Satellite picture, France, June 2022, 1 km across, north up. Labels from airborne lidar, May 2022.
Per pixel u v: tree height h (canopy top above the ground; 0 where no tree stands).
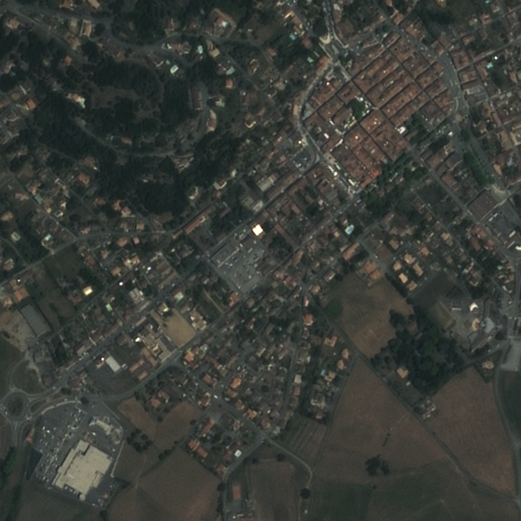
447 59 0
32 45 15
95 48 15
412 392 0
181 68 13
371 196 13
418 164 9
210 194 9
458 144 0
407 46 0
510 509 0
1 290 0
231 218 22
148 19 10
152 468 0
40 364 0
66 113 12
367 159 0
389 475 19
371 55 0
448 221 0
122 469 0
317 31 17
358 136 0
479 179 18
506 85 0
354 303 0
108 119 13
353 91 0
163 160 9
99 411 0
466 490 0
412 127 14
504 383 0
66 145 14
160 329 0
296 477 0
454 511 0
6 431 0
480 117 6
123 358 0
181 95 9
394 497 0
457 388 0
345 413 0
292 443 0
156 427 0
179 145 9
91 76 9
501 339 11
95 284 11
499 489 0
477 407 0
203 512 0
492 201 0
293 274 0
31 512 0
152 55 0
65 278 11
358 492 0
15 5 0
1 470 18
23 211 0
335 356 0
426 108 0
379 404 0
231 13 0
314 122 0
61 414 0
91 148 14
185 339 0
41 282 0
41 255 9
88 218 0
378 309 0
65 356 13
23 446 0
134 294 0
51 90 9
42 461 0
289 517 0
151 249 10
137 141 14
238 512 0
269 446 6
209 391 0
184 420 0
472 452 0
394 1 8
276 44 16
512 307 0
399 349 14
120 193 15
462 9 0
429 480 0
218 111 0
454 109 0
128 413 0
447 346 20
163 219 0
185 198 16
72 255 0
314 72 0
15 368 0
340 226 14
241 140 11
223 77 12
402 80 0
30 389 0
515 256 0
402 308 0
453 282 0
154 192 17
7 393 0
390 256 0
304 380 12
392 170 14
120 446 0
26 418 0
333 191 0
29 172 0
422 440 0
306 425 0
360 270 0
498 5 0
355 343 0
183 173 13
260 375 0
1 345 0
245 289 0
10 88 16
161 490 0
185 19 11
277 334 7
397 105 0
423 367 29
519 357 0
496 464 0
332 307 0
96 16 15
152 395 8
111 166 15
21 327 0
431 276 0
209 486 0
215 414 0
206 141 16
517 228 10
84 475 0
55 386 0
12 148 14
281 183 0
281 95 6
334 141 0
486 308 0
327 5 0
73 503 0
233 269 0
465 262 6
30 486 0
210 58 12
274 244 10
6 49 14
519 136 0
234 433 0
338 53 0
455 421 0
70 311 0
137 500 0
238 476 0
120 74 14
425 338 15
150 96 11
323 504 0
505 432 0
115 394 0
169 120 15
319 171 0
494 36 0
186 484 0
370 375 0
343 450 0
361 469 0
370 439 0
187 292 9
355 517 0
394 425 0
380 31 14
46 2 11
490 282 12
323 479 0
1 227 14
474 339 0
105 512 10
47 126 9
